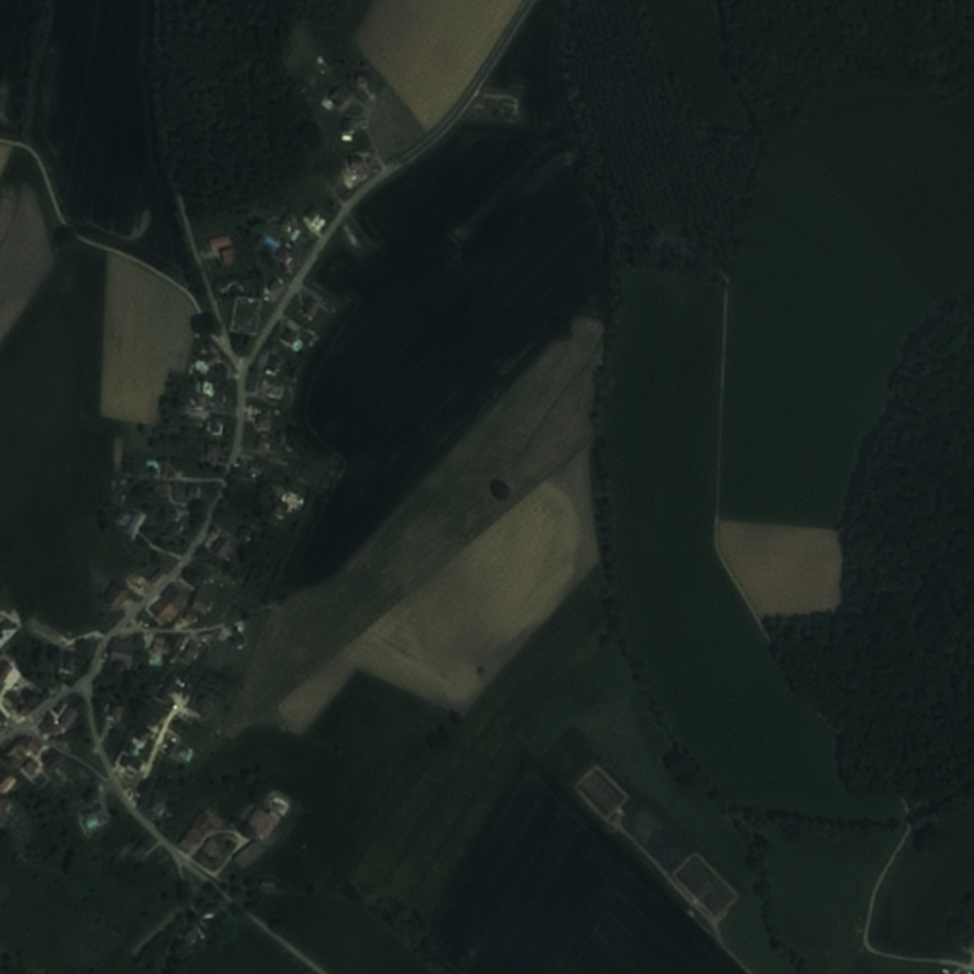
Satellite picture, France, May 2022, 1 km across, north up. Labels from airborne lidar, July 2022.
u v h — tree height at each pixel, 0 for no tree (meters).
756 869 14
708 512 0
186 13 23
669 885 0
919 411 24
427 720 0
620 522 0
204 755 0
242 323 0
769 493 0
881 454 26
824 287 0
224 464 5
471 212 0
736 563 0
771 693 0
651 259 20
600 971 0
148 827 0
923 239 0
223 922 20
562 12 0
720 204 25
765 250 0
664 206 24
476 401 0
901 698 27
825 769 0
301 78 0
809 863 0
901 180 0
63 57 0
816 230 0
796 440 0
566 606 0
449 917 0
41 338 0
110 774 0
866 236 0
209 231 0
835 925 0
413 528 0
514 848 0
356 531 0
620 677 0
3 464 0
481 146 0
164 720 0
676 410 0
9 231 0
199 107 22
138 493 7
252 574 7
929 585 30
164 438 10
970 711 25
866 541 22
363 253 0
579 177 14
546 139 0
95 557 0
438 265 0
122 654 0
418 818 0
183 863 0
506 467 0
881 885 0
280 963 0
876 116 0
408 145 0
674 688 0
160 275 0
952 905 0
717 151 23
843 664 24
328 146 0
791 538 0
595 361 0
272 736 0
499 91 0
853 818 0
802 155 0
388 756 0
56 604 0
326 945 0
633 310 0
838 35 21
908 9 26
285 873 0
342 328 0
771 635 14
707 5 0
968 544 30
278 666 0
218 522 12
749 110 11
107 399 0
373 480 0
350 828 0
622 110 24
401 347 0
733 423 0
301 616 0
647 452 0
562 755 0
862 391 0
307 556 0
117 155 0
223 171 25
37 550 0
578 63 17
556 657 0
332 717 0
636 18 25
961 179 0
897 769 25
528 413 0
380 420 0
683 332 0
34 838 0
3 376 0
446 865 0
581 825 0
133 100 0
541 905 0
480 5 0
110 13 0
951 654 12
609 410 0
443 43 0
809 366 0
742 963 0
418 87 0
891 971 0
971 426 27
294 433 21
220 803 0
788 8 22
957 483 32
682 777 20
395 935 22
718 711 0
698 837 0
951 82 18
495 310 0
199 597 0
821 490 0
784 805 0
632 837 0
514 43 0
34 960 0
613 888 0
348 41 0
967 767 19
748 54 23
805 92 21
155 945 11
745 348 0
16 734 0
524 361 0
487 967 0
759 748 0
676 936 0
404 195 0
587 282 0
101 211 0
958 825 0
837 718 22
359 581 0
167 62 17
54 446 0
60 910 0
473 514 0
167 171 20
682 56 0
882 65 24
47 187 0
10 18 0
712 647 0
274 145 26
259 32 25
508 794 0
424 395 0
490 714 0
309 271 0
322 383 0
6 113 0
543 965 0
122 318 0
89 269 0
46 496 0
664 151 23
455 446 0
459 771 0
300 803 0
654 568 0
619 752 0
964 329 21
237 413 0
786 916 0
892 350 0
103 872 0
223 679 11
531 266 0
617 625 20
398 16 0
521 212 0
